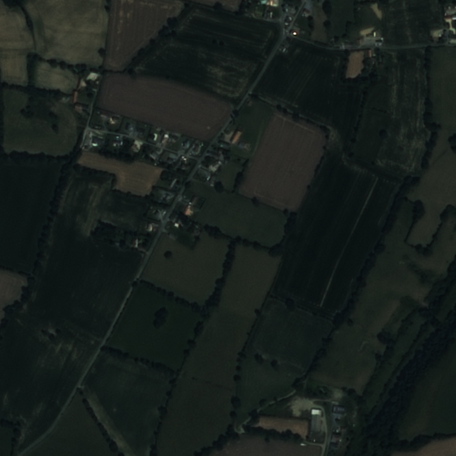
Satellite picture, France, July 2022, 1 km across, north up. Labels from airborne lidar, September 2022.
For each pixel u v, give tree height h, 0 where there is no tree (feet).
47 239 53
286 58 0
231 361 0
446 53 0
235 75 0
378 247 49
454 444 0
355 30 0
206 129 0
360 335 0
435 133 58
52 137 0
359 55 0
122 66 0
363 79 55
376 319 0
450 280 34
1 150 61
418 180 59
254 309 0
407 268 0
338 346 0
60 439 0
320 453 0
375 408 23
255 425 0
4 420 31
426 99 35
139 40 0
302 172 0
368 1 25
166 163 18
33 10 0
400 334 30
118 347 0
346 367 0
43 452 0
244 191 0
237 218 0
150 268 0
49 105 0
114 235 39
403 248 0
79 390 27
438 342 61
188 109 0
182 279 0
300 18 0
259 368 0
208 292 0
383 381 0
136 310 0
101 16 0
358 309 0
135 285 46
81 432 0
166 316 53
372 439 57
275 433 68
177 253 0
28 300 44
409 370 67
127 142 42
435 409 0
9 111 0
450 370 0
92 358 0
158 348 0
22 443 0
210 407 0
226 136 0
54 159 39
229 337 0
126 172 0
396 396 83
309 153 0
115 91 0
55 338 37
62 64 43
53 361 0
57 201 51
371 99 0
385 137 46
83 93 0
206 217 0
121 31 0
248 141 0
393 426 73
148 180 0
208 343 0
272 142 0
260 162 0
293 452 0
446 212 49
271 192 0
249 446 0
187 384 0
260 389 0
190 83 0
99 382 0
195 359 0
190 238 0
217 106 0
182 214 44
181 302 51
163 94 0
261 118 0
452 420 0
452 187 0
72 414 0
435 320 56
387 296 0
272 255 45
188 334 0
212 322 0
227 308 0
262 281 0
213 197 0
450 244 0
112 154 51
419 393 0
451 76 0
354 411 0
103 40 0
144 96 0
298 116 47
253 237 0
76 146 21
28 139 0
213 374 0
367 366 0
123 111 0
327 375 0
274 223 0
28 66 23
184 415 0
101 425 32
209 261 0
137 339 0
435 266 0
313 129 0
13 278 0
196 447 0
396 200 42
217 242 0
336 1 0
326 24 51
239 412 0
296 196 0
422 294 0
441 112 0
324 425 0
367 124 0
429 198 0
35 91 37
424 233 0
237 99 0
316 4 0
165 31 50
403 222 0
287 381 0
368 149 0
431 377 0
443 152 0
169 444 0
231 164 0
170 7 0
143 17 0
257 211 0
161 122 0
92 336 0
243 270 0
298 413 0
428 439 41
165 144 0
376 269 0
